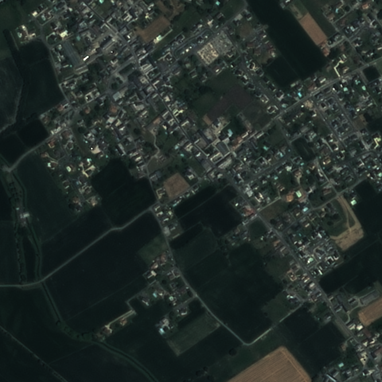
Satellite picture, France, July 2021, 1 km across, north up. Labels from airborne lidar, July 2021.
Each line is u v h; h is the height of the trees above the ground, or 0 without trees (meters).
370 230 0
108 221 0
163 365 0
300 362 0
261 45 0
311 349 0
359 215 0
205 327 0
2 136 11
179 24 0
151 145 9
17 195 12
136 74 7
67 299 0
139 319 0
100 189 0
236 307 0
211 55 0
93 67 7
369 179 9
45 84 0
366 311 0
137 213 0
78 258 0
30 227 6
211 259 0
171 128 0
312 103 0
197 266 0
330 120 0
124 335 0
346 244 0
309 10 0
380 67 0
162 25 0
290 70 0
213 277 0
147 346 0
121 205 0
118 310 0
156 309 0
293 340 0
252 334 0
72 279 0
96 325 0
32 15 0
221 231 0
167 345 0
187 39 0
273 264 0
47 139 0
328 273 0
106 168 0
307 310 9
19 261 10
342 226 0
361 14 11
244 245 0
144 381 0
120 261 0
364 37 0
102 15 0
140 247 0
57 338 0
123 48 0
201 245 0
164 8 0
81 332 0
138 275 0
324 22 0
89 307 0
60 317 0
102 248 0
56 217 0
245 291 0
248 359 0
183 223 0
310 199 11
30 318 0
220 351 0
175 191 0
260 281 0
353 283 0
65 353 0
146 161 7
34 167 0
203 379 0
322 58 0
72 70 0
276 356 0
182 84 0
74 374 0
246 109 0
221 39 0
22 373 0
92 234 0
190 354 0
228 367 0
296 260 0
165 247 0
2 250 0
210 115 0
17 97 0
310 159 0
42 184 0
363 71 0
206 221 0
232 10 0
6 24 0
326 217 9
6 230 0
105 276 0
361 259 0
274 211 0
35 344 0
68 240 0
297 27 0
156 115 0
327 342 0
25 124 14
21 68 13
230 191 0
